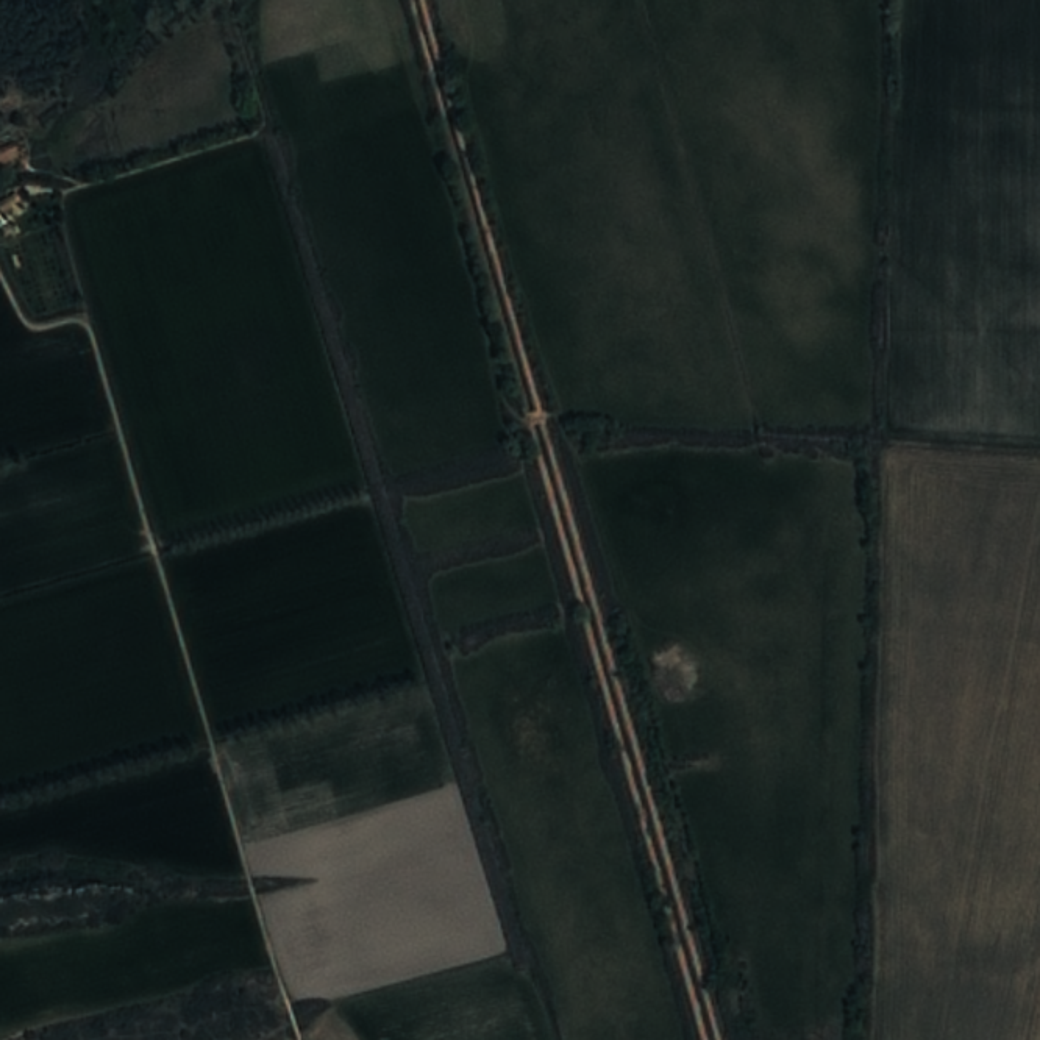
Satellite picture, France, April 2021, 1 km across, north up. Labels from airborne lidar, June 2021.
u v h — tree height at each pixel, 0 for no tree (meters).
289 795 0
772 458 7
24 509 0
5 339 0
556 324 0
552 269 0
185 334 0
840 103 0
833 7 0
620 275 0
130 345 0
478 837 6
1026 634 0
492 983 0
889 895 0
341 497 19
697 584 0
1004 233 0
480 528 0
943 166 0
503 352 15
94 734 0
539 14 0
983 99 0
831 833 0
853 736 0
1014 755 0
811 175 0
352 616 0
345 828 0
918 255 0
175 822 0
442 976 0
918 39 0
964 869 0
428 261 0
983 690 0
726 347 0
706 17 0
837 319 0
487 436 0
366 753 0
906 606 0
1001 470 0
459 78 13
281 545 0
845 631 0
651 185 0
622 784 7
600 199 0
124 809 0
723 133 0
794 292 0
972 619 0
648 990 0
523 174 0
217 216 0
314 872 0
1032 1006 0
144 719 0
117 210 0
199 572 0
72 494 0
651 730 11
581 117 0
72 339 0
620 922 0
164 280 0
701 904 7
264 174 0
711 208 0
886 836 0
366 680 0
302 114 0
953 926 0
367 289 0
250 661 0
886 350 9
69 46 17
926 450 0
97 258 0
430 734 0
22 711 0
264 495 0
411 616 6
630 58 0
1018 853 0
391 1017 0
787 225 0
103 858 0
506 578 0
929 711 0
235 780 0
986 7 0
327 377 0
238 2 8
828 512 0
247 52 6
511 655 0
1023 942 0
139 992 0
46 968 0
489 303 14
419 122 0
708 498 0
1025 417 0
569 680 0
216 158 0
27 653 0
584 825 0
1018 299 0
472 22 0
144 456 0
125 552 0
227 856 0
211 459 0
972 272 0
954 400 0
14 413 0
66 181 6
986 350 0
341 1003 0
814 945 0
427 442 0
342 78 0
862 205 0
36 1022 0
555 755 0
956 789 0
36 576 0
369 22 0
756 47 0
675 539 0
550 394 6
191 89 0
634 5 0
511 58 0
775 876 0
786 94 0
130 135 0
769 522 0
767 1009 0
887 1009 0
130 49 11
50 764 0
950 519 0
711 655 0
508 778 0
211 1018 0
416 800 0
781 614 0
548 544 6
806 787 0
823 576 0
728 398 0
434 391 0
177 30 23
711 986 17
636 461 0
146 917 0
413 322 0
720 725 0
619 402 0
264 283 0
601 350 0
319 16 0
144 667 0
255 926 0
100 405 0
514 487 0
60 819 0
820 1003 0
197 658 0
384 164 0
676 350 0
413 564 6
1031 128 0
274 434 0
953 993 0
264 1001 0
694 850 12
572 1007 0
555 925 0
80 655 0
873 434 6
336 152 0
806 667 0
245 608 0
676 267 0
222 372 0
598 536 5
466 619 0
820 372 0
